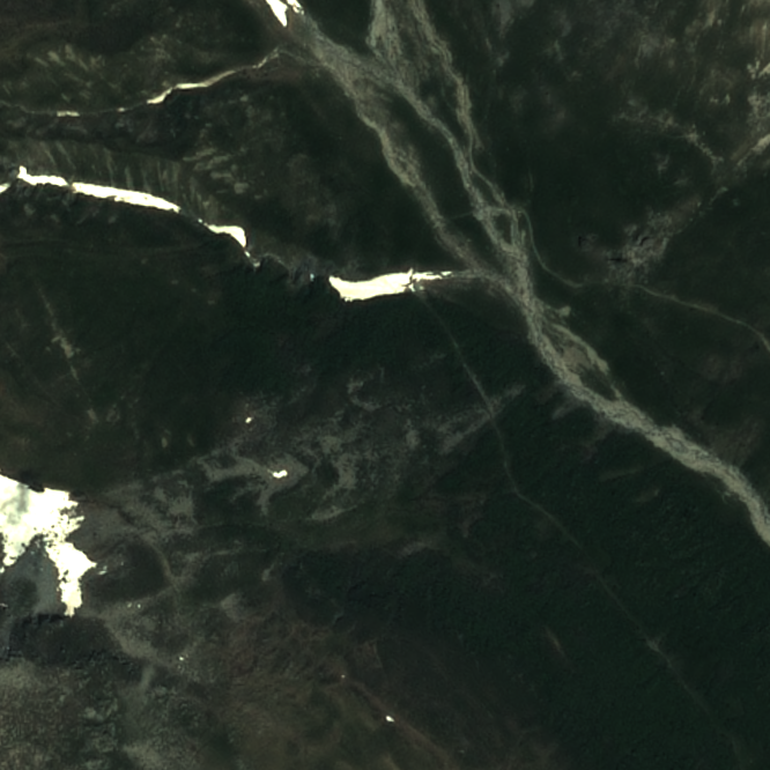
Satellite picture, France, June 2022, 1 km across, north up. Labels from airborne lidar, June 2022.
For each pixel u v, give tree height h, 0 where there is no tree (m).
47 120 0
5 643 0
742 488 0
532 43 0
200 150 0
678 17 0
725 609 7
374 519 0
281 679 0
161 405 0
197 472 0
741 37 0
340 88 0
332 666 0
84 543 0
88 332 0
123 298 0
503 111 0
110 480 0
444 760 0
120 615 0
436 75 0
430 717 0
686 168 0
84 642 0
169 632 0
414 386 0
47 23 0
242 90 0
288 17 0
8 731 0
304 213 0
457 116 0
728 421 0
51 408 0
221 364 0
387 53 0
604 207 0
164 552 0
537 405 6
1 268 0
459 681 0
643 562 8
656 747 6
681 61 0
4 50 0
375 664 0
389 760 0
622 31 0
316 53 0
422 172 0
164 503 0
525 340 0
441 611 6
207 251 0
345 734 0
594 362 0
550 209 0
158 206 0
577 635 5
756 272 0
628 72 0
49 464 0
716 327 0
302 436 0
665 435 0
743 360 0
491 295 0
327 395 0
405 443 0
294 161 0
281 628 0
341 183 0
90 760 0
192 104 0
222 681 0
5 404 0
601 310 0
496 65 0
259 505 0
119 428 0
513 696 0
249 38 0
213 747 0
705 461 0
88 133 0
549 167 0
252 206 0
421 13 0
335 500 0
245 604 0
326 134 0
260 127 0
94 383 0
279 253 0
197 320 0
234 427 0
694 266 0
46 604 0
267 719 0
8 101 0
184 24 0
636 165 0
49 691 0
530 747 0
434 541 0
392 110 0
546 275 0
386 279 0
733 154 0
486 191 0
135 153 0
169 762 0
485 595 6
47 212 0
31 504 0
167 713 0
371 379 0
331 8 0
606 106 0
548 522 0
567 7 0
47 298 0
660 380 0
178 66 0
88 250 0
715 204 0
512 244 0
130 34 0
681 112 0
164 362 0
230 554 0
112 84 0
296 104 0
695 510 9
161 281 0
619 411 0
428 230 0
